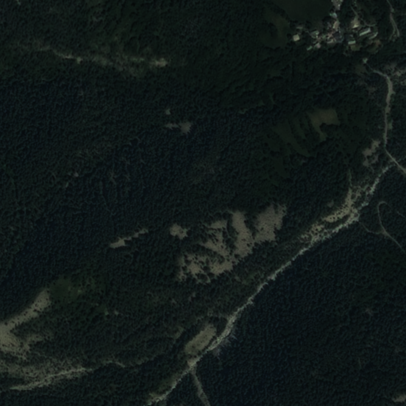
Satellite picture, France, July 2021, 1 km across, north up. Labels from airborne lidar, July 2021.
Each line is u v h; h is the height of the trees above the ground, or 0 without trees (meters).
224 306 12
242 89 14
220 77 16
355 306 13
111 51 12
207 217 16
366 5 12
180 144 21
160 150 13
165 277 15
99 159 28
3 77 13
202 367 11
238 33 16
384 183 12
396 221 13
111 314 15
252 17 16
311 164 16
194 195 11
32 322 8
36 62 16
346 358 18
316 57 9
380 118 11
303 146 12
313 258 19
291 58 8
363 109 9
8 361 12
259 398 21
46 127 27
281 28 0
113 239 9
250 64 10
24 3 13
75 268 20
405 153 10
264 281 12
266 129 21
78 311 9
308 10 0
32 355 7
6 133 25
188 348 0
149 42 11
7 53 12
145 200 28
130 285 19
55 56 7
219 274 0
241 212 11
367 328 22
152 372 17
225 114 13
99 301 11
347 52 13
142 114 17
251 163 13
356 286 7
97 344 31
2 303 33
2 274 35
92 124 15
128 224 15
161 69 11
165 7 17
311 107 16
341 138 6
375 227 13
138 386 13
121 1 17
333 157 21
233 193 26
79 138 19
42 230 27
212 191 16
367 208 12
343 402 27
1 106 25
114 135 13
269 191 13
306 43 10
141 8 16
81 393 20
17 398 22
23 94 24
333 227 11
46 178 24
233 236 6
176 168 26
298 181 24
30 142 28
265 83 12
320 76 24
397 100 8
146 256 18
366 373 23
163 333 33
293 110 18
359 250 21
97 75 17
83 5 14
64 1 18
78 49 8
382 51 10
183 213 21
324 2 0
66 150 24
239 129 11
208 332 0
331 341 25
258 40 14
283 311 29
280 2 0
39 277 23
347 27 7
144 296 8
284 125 0
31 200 21
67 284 0
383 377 27
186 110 15
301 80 20
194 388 17
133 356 17
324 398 22
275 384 28
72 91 29
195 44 12
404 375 27
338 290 18
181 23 9
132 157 23
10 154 31
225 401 21
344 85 18
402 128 12
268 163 12
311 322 25
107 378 20
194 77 12
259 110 14
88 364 13
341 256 26
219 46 8
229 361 24
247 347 18
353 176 9
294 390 19
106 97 15
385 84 6
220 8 13
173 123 25
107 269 28
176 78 10
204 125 33
